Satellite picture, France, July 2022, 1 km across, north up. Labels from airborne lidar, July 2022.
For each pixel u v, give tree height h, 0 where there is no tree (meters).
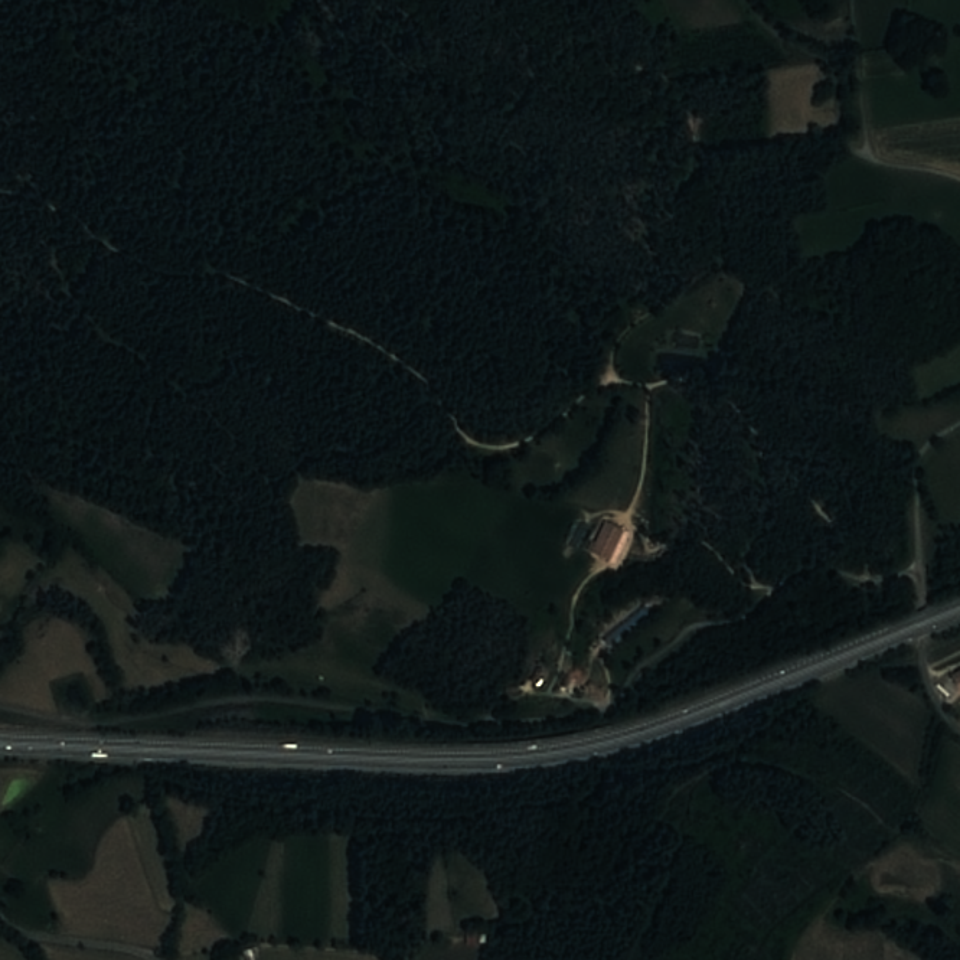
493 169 24
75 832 0
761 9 13
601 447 14
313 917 0
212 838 9
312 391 27
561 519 0
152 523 14
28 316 13
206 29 28
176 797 7
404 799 22
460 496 0
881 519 22
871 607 15
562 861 24
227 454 24
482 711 15
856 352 17
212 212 24
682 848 15
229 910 0
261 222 31
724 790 28
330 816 33
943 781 0
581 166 23
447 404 19
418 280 25
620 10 35
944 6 0
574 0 16
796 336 16
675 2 0
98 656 13
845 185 0
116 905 0
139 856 0
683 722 0
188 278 24
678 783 19
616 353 7
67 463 18
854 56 21
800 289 17
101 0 14
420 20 31
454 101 21
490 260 31
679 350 0
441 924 0
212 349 17
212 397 25
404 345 29
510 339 28
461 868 0
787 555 17
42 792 0
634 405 0
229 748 0
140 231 30
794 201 28
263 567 15
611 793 30
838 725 15
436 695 20
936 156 0
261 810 14
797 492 26
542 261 20
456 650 15
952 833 0
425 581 0
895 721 0
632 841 18
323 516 0
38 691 0
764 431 23
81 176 28
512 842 24
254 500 18
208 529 21
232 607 18
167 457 23
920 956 8
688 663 15
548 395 26
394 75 27
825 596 21
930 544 0
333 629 0
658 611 13
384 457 34
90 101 27
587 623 13
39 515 15
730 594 18
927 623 0
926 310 17
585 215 24
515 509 0
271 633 13
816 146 22
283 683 16
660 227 25
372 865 30
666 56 18
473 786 15
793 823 28
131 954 0
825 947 0
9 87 22
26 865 0
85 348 24
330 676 0
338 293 23
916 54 22
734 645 17
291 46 20
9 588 0
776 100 0
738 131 8
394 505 0
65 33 20
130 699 9
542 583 0
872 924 20
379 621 0
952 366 0
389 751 0
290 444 23
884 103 0
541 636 0
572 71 11
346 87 32
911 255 21
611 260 31
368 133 28
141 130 28
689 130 26
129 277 26
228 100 25
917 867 0
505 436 19
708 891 14
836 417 34
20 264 19
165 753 0
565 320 27
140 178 26
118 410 15
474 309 28
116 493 17
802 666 0
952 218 0
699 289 14
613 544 0
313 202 13
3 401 12
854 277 17
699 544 16
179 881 20
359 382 20
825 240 0
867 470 24
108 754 0
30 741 0
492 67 15
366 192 17
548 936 29
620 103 17
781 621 23
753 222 22
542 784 13
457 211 20
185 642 25
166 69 28
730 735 11
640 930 24
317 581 15
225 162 25
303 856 0
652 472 0
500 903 10
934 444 14
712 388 28
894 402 20
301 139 26
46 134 22
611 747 0
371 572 0
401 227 26
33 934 0
